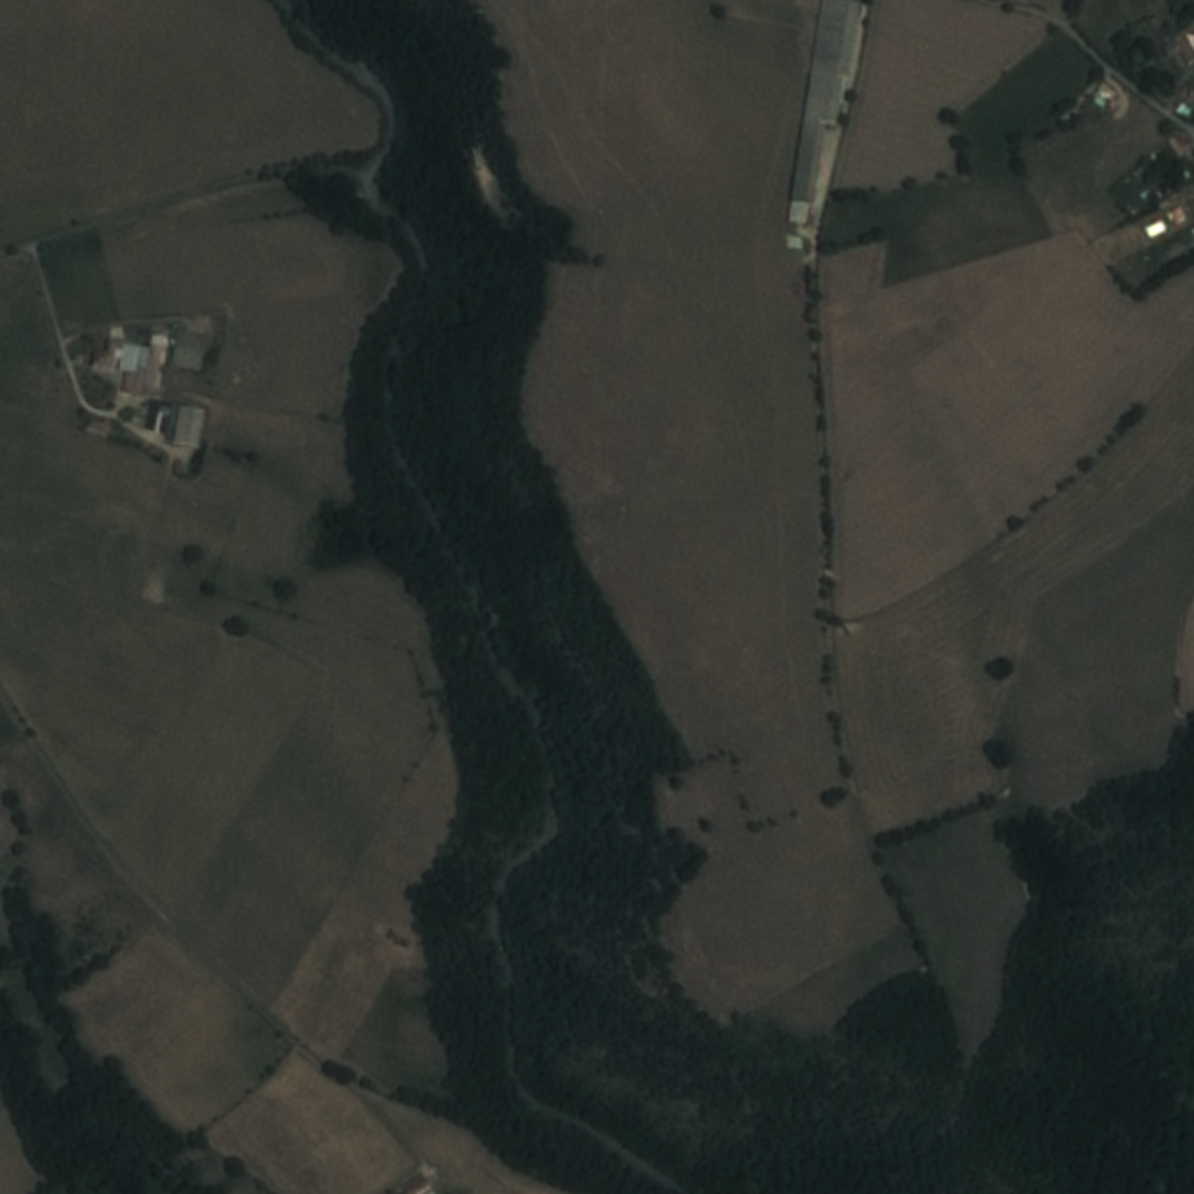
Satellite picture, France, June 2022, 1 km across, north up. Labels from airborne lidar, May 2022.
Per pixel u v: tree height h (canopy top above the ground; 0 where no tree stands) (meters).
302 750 0
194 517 0
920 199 0
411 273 12
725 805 0
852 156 0
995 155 0
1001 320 0
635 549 0
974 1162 9
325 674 0
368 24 17
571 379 0
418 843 0
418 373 19
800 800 0
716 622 0
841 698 0
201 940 0
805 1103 12
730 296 0
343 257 0
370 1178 0
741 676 0
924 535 0
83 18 0
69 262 0
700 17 0
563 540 6
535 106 0
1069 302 0
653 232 0
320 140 0
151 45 0
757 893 0
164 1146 9
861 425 0
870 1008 16
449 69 10
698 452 0
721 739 0
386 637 0
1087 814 7
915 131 0
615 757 9
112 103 0
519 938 14
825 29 0
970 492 0
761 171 0
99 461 0
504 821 8
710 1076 7
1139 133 0
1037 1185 12
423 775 0
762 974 0
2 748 0
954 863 0
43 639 0
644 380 0
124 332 0
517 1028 12
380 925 0
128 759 0
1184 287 0
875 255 0
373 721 0
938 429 0
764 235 0
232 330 0
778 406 0
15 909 15
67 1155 15
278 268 0
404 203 22
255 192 0
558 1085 18
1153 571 0
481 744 16
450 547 14
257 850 0
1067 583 0
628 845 17
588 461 0
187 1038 0
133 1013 0
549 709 22
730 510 0
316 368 0
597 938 7
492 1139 13
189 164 0
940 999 12
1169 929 11
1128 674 0
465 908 10
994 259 0
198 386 0
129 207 0
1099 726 0
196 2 0
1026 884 8
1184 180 8
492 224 10
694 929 0
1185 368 0
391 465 13
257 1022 0
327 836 0
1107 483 0
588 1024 7
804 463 0
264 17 0
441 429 15
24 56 0
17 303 0
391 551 19
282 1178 0
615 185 0
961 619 0
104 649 0
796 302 0
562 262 6
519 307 9
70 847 0
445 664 13
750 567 0
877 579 0
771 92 0
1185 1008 12
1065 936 12
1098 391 0
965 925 0
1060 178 0
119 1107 13
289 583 9
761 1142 11
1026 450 0
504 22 0
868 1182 21
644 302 0
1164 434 0
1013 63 0
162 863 0
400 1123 0
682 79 0
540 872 21
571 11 0
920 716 0
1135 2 0
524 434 8
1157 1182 22
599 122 0
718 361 0
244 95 0
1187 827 6
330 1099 0
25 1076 22
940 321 0
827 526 10
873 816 0
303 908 0
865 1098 11
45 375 0
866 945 0
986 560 0
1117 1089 26
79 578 0
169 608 0
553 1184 10
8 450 0
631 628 0
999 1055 15
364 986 0
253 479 0
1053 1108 27
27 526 0
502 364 6
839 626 9
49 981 11
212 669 0
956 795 0
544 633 7
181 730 0
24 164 0
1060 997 12
